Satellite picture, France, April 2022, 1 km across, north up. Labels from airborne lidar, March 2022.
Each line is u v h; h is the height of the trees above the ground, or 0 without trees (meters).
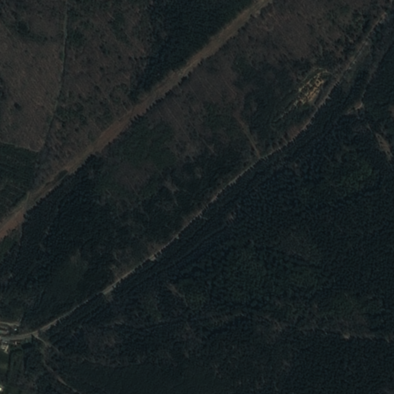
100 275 18
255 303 31
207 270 13
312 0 16
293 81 15
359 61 18
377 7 12
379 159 24
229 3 18
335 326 16
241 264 15
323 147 25
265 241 27
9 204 5
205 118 13
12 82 18
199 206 17
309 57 10
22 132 19
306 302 23
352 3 12
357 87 14
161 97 0
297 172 15
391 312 26
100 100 10
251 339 28
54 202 19
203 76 14
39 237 23
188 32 24
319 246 23
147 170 11
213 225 17
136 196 8
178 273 23
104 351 16
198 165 15
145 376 12
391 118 10
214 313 21
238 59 13
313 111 14
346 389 25
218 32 20
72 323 21
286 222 27
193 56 11
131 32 9
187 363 16
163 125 14
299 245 19
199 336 19
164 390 13
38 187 21
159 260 19
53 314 18
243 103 18
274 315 12
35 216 23
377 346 22
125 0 10
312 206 10
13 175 7
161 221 18
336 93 24
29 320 13
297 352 16
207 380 12
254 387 21
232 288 15
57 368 11
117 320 18
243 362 19
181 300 16
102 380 13
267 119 11
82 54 7
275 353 19
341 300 17
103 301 25
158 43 11
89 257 18
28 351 27
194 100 11
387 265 28
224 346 20
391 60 17
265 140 15
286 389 19
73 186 22
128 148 15
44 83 19
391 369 22
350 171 9
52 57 18
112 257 20
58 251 22
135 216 19
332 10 9
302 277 17
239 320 10
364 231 30
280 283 29
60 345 22
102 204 25
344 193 12
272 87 15
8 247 10
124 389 13
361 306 14
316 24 12
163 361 16
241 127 9
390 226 26
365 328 19
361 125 26
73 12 15
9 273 25
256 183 26
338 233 29
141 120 16
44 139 17
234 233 22
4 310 17
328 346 23
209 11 20
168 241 17
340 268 28
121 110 7
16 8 16
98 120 13
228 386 12
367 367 22
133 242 19
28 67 19
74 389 15
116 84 9
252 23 17
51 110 18
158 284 23
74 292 17
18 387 15
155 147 14
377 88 10
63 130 10
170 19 19
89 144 10
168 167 10
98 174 13
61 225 25
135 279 24
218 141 10
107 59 14
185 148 10
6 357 0
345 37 13
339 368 20
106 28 10
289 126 8
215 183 16
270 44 13
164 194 20
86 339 29
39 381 17
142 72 14
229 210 23
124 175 9
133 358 15
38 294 13
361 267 26
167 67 22
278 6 27
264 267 13
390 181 22
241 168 13
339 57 12
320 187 31
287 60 11
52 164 28
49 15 6
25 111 18
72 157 25
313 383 24
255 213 32
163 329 22
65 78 23
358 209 26
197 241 20
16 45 18
